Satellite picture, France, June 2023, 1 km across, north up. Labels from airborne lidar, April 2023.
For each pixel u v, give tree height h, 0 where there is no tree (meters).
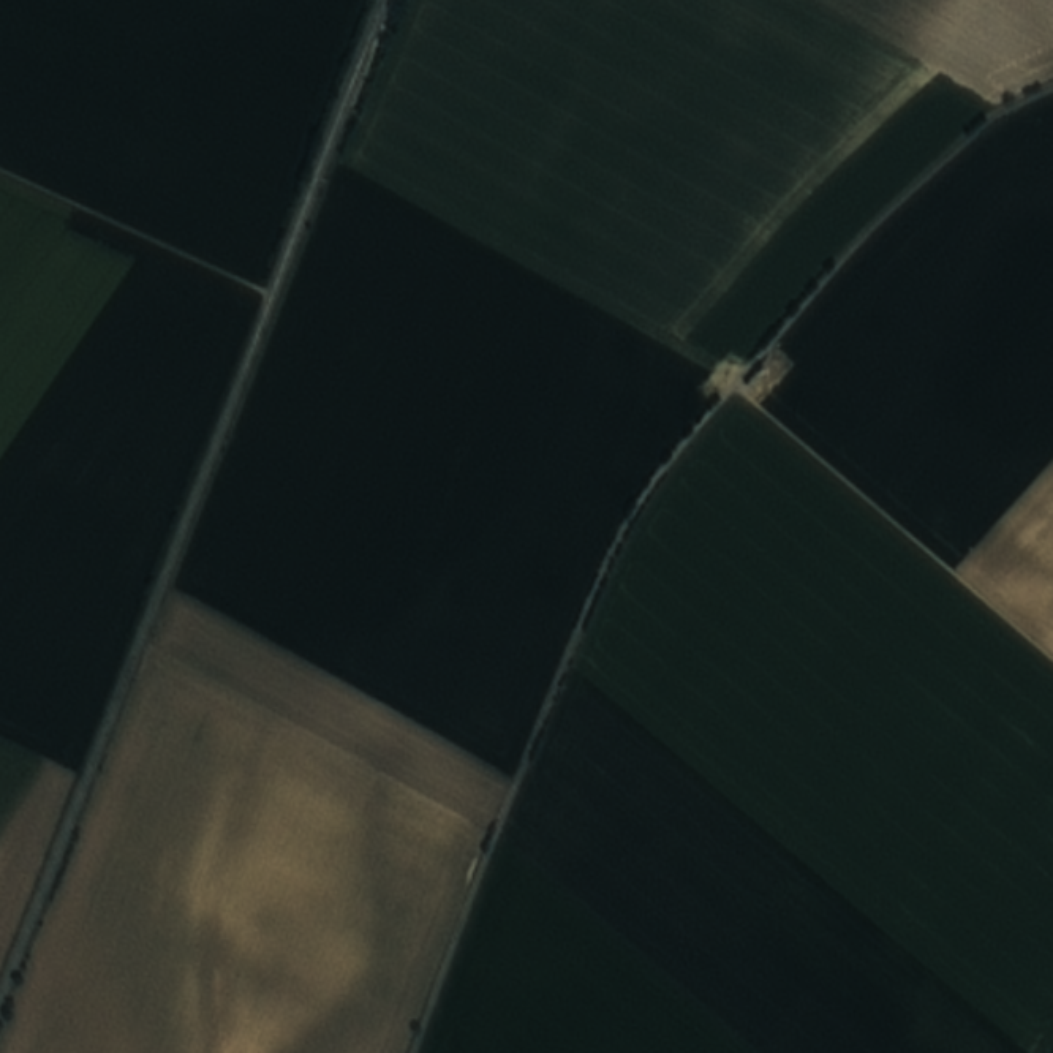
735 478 0
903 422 0
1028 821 0
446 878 0
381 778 0
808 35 0
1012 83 0
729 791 0
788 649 0
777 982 0
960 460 0
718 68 0
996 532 0
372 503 0
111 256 0
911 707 0
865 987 0
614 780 0
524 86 0
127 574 0
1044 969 0
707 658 0
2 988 0
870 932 0
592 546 0
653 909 0
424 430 0
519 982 0
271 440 0
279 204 0
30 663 0
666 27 0
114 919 0
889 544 0
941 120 0
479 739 0
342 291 0
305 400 0
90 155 0
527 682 0
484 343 0
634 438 0
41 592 0
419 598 0
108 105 0
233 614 0
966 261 0
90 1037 0
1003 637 0
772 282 0
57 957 0
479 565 0
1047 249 0
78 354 0
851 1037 0
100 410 0
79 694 0
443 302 0
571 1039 0
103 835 0
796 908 0
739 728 0
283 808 0
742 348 0
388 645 0
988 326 0
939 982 0
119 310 0
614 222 0
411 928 0
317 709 0
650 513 0
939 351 0
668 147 0
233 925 0
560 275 0
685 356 0
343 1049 0
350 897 0
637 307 0
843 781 0
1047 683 0
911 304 0
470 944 0
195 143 0
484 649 0
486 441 0
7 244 0
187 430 0
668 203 0
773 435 0
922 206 0
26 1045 0
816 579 0
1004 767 0
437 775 0
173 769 0
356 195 0
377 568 0
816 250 0
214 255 0
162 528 0
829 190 0
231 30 0
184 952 0
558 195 0
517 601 0
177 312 0
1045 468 0
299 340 0
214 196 0
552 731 0
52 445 0
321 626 0
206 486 0
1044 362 0
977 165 0
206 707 0
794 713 0
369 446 0
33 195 0
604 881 0
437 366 0
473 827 0
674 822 0
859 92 0
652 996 0
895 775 0
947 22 0
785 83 0
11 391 0
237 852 0
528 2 0
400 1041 0
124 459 0
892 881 0
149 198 0
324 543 0
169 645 0
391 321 0
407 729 0
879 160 0
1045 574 0
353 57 6
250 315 0
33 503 0
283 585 0
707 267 0
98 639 0
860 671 0
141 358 0
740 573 0
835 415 0
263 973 0
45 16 0
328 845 0
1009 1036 0
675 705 0
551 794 0
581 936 0
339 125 0
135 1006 0
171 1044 0
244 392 0
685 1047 0
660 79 0
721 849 0
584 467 0
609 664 0
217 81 0
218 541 0
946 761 0
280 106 0
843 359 0
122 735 0
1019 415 0
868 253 0
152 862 0
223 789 0
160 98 0
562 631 0
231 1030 0
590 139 0
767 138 0
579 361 0
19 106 0
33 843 0
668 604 0
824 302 0
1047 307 0
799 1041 0
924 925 0
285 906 0
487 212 0
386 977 0
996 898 0
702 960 0
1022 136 0
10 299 0
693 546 0
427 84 0
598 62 0
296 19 0
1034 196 0
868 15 0
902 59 0
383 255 0
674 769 0
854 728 0
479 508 0
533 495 0
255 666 0
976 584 0
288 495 0
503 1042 0
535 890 0
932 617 0
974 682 0
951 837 0
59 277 0
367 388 0
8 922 0
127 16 0
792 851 0
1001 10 0
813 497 0
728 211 0
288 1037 0
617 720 0
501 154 0
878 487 0
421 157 0
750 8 0
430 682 0
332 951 0
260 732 0
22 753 0
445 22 0
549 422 0
